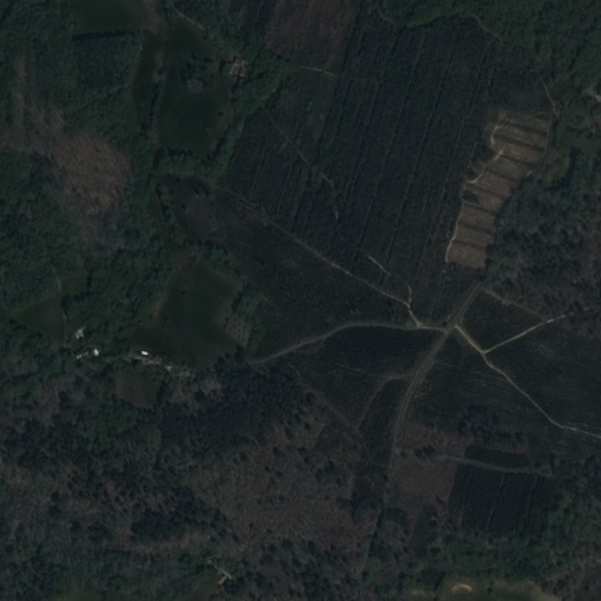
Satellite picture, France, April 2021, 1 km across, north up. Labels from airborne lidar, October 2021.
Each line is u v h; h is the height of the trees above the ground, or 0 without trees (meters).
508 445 28
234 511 13
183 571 14
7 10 0
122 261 20
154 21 0
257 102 15
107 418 19
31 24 18
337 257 10
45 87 20
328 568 25
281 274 6
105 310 23
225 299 0
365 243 11
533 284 29
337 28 6
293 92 7
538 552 25
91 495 21
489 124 0
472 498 10
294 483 13
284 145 8
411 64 11
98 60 21
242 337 8
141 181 20
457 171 9
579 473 14
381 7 12
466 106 12
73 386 7
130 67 23
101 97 20
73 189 24
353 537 7
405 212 12
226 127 0
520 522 11
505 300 24
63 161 20
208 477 10
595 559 9
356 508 12
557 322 10
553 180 0
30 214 16
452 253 0
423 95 11
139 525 7
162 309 0
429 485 0
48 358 14
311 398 10
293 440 24
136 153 20
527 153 0
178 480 17
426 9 23
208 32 16
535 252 27
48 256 16
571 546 24
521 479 10
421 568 14
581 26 23
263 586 28
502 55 9
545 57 23
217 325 0
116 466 7
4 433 23
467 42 14
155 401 0
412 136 13
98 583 13
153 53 0
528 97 13
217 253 25
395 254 10
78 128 18
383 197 11
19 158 21
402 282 11
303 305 5
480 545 15
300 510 8
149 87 0
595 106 17
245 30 7
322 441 7
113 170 25
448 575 22
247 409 19
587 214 20
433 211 10
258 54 21
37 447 19
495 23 18
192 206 0
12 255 16
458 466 7
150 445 12
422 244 11
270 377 11
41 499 21
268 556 21
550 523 23
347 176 11
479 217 0
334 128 11
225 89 0
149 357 0
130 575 18
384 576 8
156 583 20
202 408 21
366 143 11
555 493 8
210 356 0
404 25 7
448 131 12
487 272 10
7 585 15
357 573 11
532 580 26
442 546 17
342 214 12
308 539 11
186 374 6
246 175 8
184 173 25
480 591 0
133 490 14
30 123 22
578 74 21
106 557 15
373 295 6
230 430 23
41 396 12
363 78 12
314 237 10
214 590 0
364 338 7
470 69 10
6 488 10
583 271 23
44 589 21
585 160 21
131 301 18
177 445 12
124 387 0
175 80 0
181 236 18
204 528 16
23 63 21
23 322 0
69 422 7
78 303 19
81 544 14
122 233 21
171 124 0
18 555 16
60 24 16
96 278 20
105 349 13
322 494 12
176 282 0
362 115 12
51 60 16
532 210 22
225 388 24
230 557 10
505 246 15
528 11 24
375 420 6
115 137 20
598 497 15
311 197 9
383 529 19
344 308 6
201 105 0
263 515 7
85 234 20
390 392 6
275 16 6
